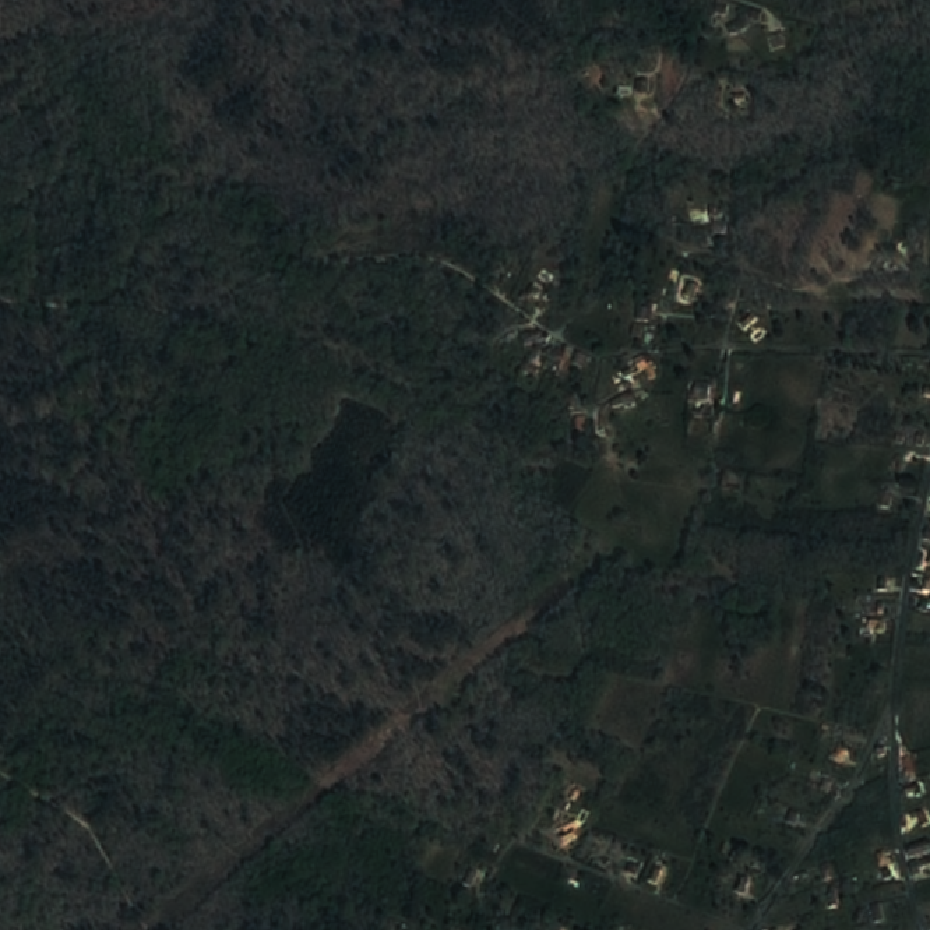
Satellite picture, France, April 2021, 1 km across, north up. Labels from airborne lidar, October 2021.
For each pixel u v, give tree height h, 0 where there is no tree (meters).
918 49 19
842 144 28
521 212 12
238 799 12
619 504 0
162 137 18
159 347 15
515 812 21
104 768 12
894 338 20
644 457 12
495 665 16
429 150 14
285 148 19
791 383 0
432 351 18
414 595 16
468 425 23
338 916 7
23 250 20
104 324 18
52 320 22
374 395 23
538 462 14
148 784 15
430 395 25
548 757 15
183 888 11
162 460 14
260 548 6
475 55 21
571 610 17
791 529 6
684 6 12
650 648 19
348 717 12
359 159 14
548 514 19
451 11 21
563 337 0
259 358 24
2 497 19
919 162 21
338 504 9
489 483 24
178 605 27
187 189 6
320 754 25
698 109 15
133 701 17
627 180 14
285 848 13
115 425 15
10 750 19
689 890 8
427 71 19
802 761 7
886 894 0
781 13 0
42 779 10
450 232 19
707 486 16
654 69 11
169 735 19
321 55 12
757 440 0
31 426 12
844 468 0
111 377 24
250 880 19
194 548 24
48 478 15
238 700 13
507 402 12
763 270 19
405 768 10
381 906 12
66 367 20
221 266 17
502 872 8
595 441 11
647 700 0
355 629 17
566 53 21
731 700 0
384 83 11
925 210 0
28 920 20
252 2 7
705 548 21
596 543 20
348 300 17
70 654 23
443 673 20
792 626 0
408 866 19
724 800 0
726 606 21
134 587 11
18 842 12
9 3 13
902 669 0
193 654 11
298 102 11
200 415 27
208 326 25
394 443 11
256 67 10
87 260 23
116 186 16
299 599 6
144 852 9
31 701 18
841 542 8
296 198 8
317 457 7
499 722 15
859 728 10
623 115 21
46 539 8
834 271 15
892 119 17
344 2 19
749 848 14
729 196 16
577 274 19
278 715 13
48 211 10
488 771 15
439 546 13
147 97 21
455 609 14
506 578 21
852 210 0
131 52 19
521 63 16
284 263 21
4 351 30
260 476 20
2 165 15
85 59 15
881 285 14
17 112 15
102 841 10
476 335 22
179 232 19
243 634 8
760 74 9
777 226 24
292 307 22
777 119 22
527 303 11
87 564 9
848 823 6
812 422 7
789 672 0
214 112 9
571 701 25
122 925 11
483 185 10
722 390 14
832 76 22
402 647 15
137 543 13
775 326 11
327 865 18
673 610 15
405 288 19
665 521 0
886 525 6
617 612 23
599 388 0
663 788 0
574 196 18
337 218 13
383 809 14
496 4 20
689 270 12
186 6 14
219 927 9
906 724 0
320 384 22
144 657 23
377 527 9
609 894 0
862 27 14
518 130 13
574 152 18
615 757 26
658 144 8
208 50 22
